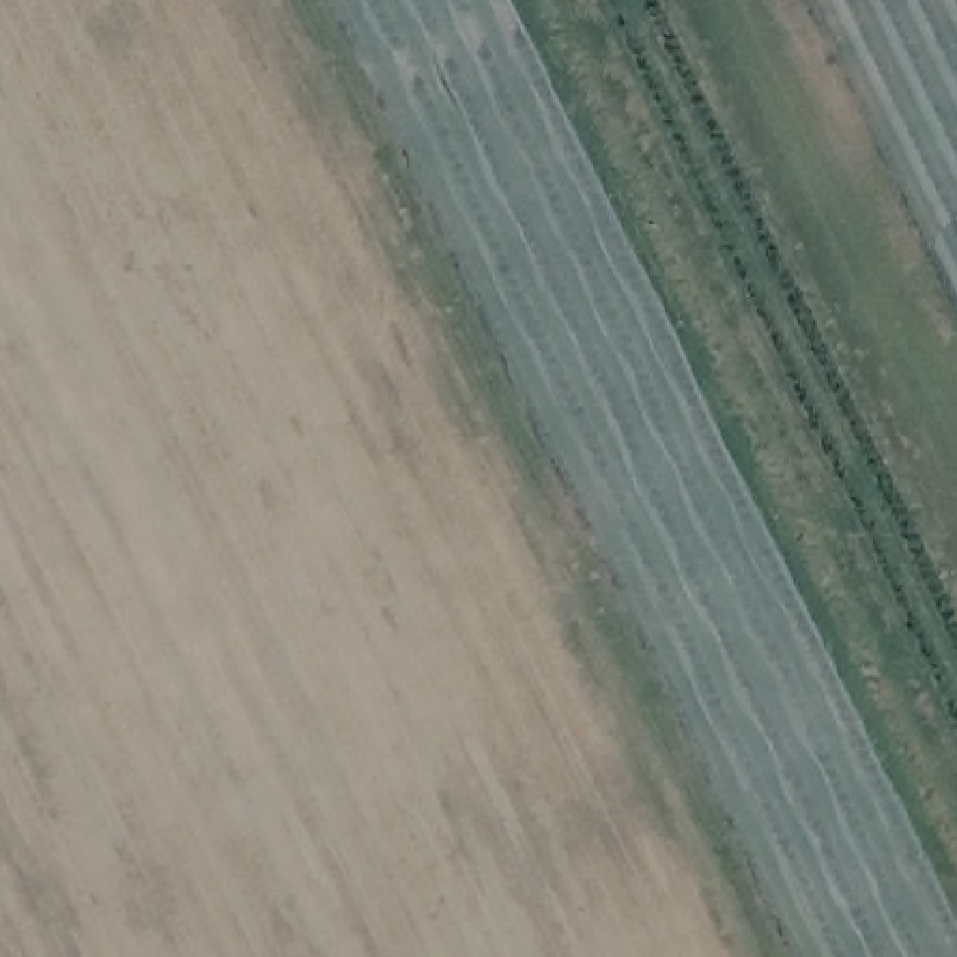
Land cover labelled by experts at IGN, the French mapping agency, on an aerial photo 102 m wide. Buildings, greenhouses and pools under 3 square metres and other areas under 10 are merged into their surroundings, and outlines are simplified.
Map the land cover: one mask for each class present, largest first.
<instances>
[{"label":"agricultural land","instance_id":"1","mask_svg":"<svg viewBox=\"0 0 957 957\"><path fill-rule=\"evenodd\" d=\"M602 0H0V957H957V729L946 710L935 707L931 695L901 699L882 673V654L871 639L867 617L845 587V579L837 576L834 557L826 553V542L837 527L815 523L807 505L822 493L834 471L804 430V411L785 389L781 370L774 366L763 321L748 314L740 329L721 325L714 295L699 288L695 265L680 247V228L669 217V206L658 202L647 168L639 164L662 135V123L643 93L636 67H628V52L613 37L606 41V60H594L576 37L579 19L598 22ZM714 15L721 19V26H729L736 60L721 82H714L710 75L699 82V90L755 194L766 232L778 243L781 265L793 273L819 325V336L834 359V370L845 381L882 456V467L893 479V490L912 512L923 550L957 613V0H721Z\"/></svg>","mask_w":957,"mask_h":957},{"label":"deciduous trees","instance_id":"2","mask_svg":"<svg viewBox=\"0 0 957 957\"><path fill-rule=\"evenodd\" d=\"M721 0H602L598 22L579 19L576 37L594 60H606V41L613 37L628 52V67H636L643 93L662 123V135L639 164L647 168L658 202L669 206V217L680 228V247L695 265L699 288L714 295L721 325L740 329L748 314L763 321L774 366L781 370L785 389L804 411V430L834 471L822 493L807 505L815 523L837 527L826 542V553L834 557L837 576L845 579V587L867 617L871 639L882 654V673L901 699L931 695L935 707L946 710L957 729V613L923 550L912 512L893 490V479L882 467V456L845 381L834 370V359L819 336V325L793 273L781 265L778 243L766 232L755 194L699 90V82L710 75L714 82H721L736 60L729 26H721V19L714 15Z\"/></svg>","mask_w":957,"mask_h":957}]
</instances>
